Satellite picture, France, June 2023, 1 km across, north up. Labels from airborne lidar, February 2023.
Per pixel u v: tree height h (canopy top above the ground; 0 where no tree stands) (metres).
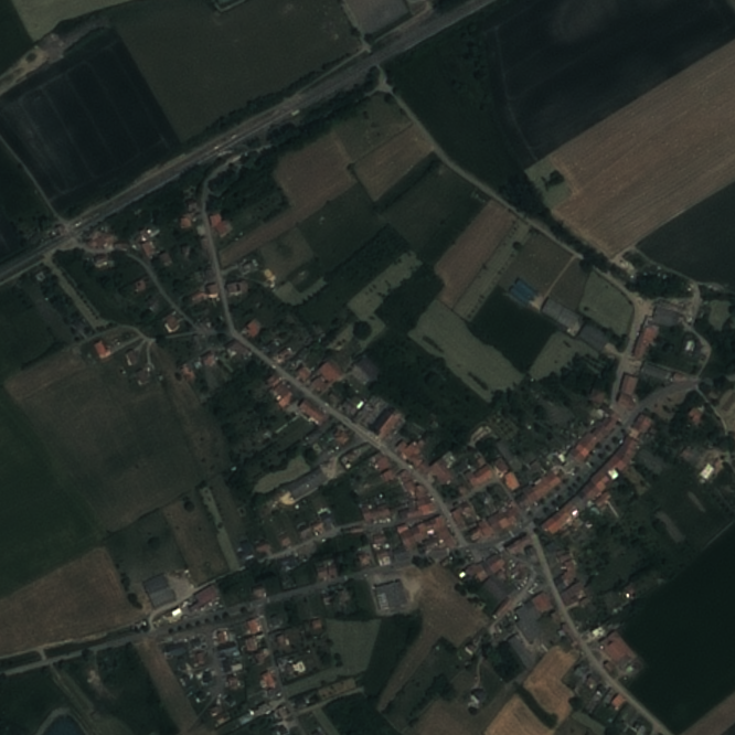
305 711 0
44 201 0
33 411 0
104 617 0
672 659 0
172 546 0
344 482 0
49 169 0
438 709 0
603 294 0
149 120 0
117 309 0
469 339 0
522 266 0
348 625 0
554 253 0
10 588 0
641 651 0
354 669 0
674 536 0
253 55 0
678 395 0
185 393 0
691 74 0
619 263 0
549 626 0
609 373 15
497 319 0
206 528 0
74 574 0
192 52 0
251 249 0
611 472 0
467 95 0
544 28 0
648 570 10
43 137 0
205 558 0
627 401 0
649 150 0
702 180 0
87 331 12
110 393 0
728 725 0
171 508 0
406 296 0
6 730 7
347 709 10
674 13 0
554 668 0
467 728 0
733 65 0
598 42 0
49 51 0
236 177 18
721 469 0
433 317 0
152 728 0
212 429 0
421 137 0
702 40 0
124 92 0
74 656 0
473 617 0
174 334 0
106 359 0
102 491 0
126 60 0
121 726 0
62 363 0
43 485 0
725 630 0
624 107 0
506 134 0
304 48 0
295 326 6
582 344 0
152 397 0
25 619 0
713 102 0
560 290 0
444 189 0
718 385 16
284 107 0
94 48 0
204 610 0
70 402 0
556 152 0
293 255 0
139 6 0
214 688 0
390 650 0
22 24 0
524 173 0
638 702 0
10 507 0
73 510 0
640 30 0
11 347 0
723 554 0
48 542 0
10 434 0
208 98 0
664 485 0
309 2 0
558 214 0
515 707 0
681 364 0
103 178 0
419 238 0
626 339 8
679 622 0
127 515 0
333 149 0
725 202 0
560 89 0
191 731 0
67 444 0
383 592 0
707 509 0
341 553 8
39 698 0
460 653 0
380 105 0
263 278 0
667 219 0
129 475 0
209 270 0
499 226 0
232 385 7
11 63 0
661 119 0
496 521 0
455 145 0
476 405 0
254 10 0
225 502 0
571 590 0
